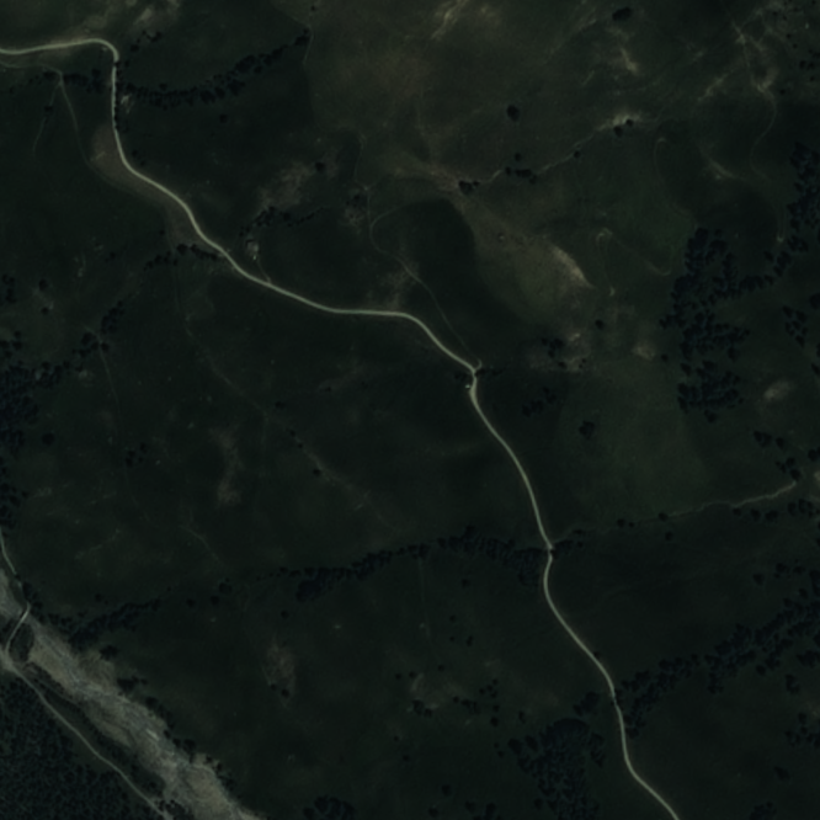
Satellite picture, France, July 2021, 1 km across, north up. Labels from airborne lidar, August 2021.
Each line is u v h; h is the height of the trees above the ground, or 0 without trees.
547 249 0
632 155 0
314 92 0
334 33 0
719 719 0
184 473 0
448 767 0
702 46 0
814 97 0
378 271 0
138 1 0
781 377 0
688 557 0
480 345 0
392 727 0
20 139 0
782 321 0
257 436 0
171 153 0
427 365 0
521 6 0
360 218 0
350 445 0
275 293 0
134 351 0
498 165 0
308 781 0
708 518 0
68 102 0
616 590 0
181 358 0
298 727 0
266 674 0
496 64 0
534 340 0
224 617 0
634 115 0
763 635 18
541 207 0
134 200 0
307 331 0
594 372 0
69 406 0
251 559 0
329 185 0
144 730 0
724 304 0
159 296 0
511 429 0
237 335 0
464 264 0
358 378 0
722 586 0
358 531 0
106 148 0
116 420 0
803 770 0
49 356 0
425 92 0
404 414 0
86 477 0
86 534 0
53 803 21
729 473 0
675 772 0
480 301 0
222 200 0
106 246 0
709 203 0
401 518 0
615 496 0
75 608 0
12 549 0
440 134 0
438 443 0
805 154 22
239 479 0
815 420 0
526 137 0
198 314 0
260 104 0
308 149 0
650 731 0
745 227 0
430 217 0
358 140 0
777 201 0
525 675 0
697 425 0
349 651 0
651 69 0
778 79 0
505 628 0
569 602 0
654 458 0
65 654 0
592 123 0
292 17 0
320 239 0
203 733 0
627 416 0
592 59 0
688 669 12
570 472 0
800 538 0
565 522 0
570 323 0
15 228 0
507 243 0
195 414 0
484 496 0
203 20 0
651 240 0
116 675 0
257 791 0
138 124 0
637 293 0
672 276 0
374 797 0
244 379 0
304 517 0
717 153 0
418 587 0
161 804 8
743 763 0
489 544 9
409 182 0
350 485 0
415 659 0
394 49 0
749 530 0
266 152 0
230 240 0
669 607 0
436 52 0
